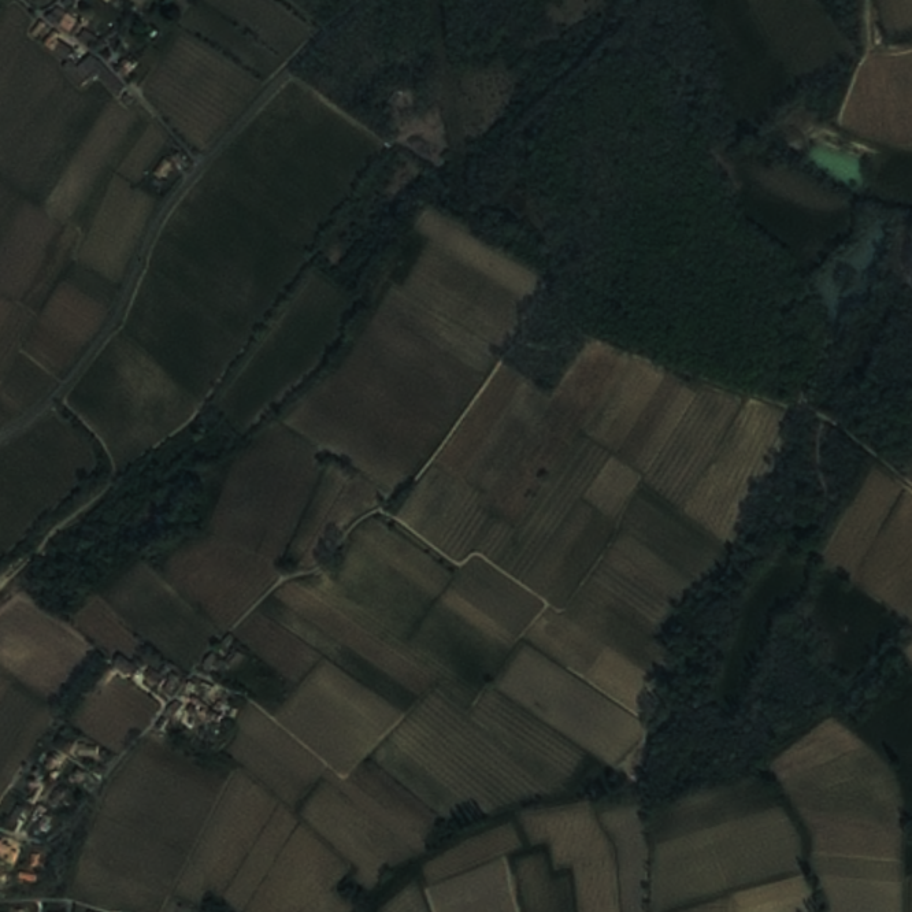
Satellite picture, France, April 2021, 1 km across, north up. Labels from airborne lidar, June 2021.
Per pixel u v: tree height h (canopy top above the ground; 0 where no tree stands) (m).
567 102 21
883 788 0
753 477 0
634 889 0
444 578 0
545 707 0
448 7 17
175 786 0
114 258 0
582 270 13
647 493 0
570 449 0
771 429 0
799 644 6
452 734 0
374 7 16
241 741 0
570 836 0
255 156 0
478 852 0
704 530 0
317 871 0
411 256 0
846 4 17
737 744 23
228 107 0
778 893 0
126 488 12
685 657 29
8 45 0
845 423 15
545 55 9
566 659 0
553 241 17
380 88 17
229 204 0
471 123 0
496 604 0
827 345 11
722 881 0
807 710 15
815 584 19
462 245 0
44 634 0
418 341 0
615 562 0
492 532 0
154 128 0
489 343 0
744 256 20
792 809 0
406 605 0
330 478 0
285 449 0
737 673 0
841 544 0
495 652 0
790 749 0
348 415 0
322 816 0
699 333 22
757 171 0
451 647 0
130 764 0
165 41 0
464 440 0
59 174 0
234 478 0
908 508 0
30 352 0
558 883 0
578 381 0
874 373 21
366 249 8
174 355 0
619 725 0
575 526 0
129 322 0
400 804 0
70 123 0
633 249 18
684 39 25
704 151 21
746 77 0
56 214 0
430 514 0
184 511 17
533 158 20
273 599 0
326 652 0
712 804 0
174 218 0
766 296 22
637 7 14
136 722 0
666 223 21
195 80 0
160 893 0
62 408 9
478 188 22
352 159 0
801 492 22
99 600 0
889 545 0
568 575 0
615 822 0
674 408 0
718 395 0
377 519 6
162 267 0
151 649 13
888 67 0
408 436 0
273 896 0
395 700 0
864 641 0
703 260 22
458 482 0
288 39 0
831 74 14
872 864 0
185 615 0
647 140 20
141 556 9
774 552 16
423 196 21
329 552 20
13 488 0
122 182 0
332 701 0
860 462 11
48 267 0
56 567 18
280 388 0
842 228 0
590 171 17
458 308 0
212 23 0
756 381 14
